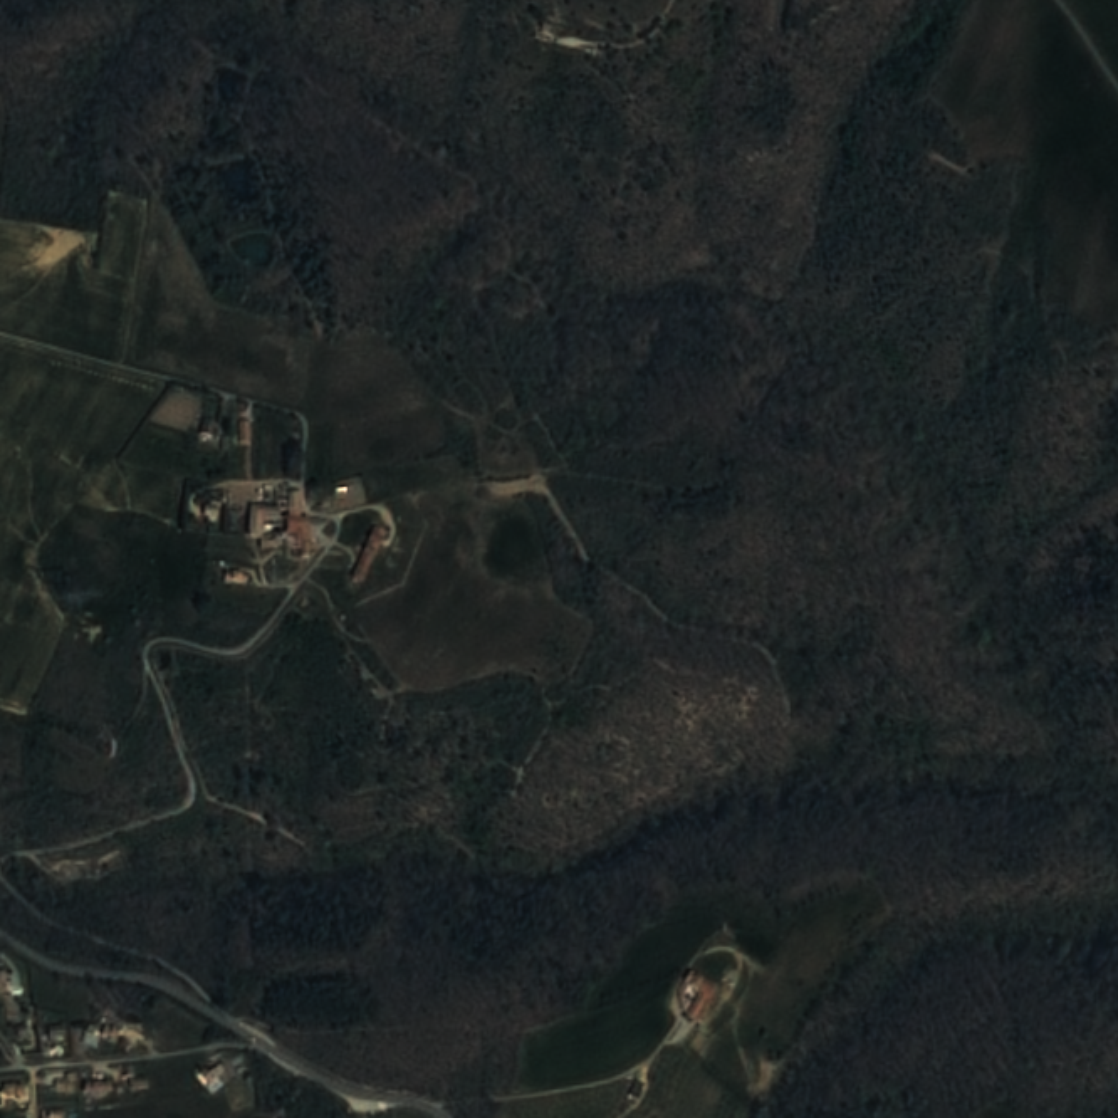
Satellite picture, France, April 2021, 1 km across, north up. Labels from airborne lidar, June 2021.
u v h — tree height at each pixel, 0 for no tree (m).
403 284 8
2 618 0
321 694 7
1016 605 20
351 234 17
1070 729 22
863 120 10
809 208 6
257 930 14
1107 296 0
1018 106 0
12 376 0
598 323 11
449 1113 10
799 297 15
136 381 0
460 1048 10
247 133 14
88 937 12
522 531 0
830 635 9
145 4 15
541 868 16
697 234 16
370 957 10
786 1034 0
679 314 18
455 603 0
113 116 10
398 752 6
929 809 27
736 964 0
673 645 9
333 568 0
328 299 6
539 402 7
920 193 7
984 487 7
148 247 0
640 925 17
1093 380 9
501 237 8
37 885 29
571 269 19
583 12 0
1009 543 17
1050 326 8
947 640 16
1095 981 15
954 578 15
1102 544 19
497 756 17
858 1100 15
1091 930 26
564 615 0
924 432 12
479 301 8
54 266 0
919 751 11
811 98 6
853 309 6
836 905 0
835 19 6
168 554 0
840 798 32
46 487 0
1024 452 9
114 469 0
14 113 8
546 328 8
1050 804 10
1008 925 21
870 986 27
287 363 0
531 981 14
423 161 18
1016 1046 19
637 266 9
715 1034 0
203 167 9
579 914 22
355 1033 7
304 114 11
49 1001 0
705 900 0
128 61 17
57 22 9
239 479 0
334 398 0
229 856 16
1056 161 0
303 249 13
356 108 11
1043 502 19
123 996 11
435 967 15
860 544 8
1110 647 13
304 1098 10
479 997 9
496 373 11
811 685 19
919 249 6
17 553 0
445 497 0
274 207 11
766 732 10
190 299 0
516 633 0
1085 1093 8
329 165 11
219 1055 0
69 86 15
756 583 7
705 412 11
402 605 0
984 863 15
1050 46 0
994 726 8
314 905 13
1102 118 0
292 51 12
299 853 13
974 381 13
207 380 0
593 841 8
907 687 12
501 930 17
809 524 8
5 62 11
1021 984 19
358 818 6
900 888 14
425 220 8
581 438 12
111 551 0
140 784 7
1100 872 12
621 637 9
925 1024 16
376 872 11
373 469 0
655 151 12
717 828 21
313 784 7
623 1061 0
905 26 12
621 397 14
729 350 12
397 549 0
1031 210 0
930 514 15
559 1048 0
